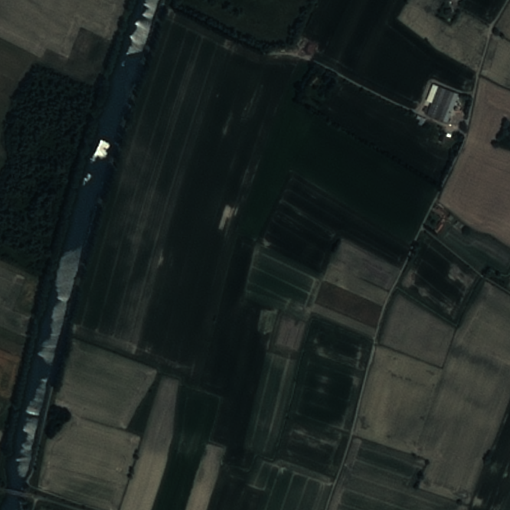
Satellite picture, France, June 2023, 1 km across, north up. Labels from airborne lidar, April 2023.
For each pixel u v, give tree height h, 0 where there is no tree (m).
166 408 0
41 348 0
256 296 0
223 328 0
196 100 0
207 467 0
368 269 0
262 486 0
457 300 0
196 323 0
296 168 0
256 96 0
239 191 0
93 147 0
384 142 0
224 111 0
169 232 0
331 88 19
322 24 0
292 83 0
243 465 0
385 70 0
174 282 0
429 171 0
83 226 0
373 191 0
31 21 0
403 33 0
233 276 0
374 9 0
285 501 0
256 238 0
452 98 0
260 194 0
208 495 0
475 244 0
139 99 0
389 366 0
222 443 0
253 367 0
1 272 0
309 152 0
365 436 0
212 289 0
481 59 0
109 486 0
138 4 0
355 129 0
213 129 0
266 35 0
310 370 0
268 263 0
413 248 15
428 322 0
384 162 0
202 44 0
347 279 0
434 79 0
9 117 15
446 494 0
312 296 0
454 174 0
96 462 0
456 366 0
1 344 0
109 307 0
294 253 0
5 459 0
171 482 0
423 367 0
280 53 0
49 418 9
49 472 0
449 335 0
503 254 0
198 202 0
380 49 0
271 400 0
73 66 0
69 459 0
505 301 0
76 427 0
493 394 0
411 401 0
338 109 0
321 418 0
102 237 0
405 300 0
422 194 0
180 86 0
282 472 0
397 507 0
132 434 0
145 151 0
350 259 0
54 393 0
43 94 16
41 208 19
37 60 0
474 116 0
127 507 0
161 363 0
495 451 0
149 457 0
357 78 0
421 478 13
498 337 0
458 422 0
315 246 0
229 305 0
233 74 0
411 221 0
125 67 0
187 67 0
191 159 0
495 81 0
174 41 0
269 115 0
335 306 0
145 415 0
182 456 0
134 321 0
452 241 0
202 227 0
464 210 0
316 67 11
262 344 0
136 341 0
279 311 0
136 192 0
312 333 0
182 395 0
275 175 0
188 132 0
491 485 0
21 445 0
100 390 0
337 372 0
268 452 0
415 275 0
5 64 0
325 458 0
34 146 7
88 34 0
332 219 0
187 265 0
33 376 0
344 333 0
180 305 0
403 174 0
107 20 0
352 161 0
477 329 0
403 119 0
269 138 0
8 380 0
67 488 0
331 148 0
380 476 0
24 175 17
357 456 0
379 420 0
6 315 0
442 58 0
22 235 8
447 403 0
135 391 0
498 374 0
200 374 0
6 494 0
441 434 0
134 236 0
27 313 0
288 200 0
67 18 0
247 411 0
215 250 0
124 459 0
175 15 0
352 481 0
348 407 0
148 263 0
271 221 0
